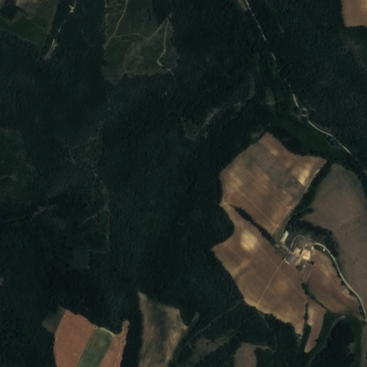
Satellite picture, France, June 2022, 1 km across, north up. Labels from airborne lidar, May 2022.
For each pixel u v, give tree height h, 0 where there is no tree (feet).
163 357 0
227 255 0
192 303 45
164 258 80
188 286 41
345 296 0
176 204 43
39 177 23
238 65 65
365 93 45
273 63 24
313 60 36
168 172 35
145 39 0
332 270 0
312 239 0
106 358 0
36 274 43
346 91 42
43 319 36
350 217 0
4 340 60
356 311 0
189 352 42
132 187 33
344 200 0
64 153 29
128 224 36
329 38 45
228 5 76
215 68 52
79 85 25
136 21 0
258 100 61
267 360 21
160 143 45
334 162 36
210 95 76
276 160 0
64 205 35
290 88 31
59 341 0
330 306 0
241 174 0
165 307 0
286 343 48
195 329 31
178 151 30
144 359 0
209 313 41
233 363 37
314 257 0
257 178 0
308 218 0
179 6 37
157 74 36
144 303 0
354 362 57
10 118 37
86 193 34
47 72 31
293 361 52
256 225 34
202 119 45
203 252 38
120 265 42
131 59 0
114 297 38
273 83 33
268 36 55
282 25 17
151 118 85
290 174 0
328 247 31
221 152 62
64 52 33
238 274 0
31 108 22
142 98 41
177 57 0
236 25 80
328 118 41
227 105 26
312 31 42
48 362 33
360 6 0
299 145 59
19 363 35
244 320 44
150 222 34
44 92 27
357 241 0
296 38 43
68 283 94
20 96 33
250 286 0
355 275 0
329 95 40
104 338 0
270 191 0
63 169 29
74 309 41
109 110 22
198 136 23
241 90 24
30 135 24
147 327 0
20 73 36
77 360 0
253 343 31
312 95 30
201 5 53
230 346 35
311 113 34
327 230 22
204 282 31
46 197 36
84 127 24
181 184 48
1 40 44
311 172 0
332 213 0
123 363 42
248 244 0
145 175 32
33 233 69
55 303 44
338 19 45
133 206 26
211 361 44
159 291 23
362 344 0
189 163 37
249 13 66
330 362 62
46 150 39
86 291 84
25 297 28
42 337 50
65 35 22
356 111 43
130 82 37
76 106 24
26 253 39
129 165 46
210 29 29
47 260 61
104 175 26
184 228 42
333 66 48
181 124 77
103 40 28
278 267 0
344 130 44
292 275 0
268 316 36
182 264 37
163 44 0
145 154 41
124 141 64
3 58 28
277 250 0
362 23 0
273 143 0
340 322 29
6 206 18
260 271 0
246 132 52
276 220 0
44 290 31
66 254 21
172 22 40
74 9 22
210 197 56
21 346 71
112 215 34
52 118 28
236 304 33
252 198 0
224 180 0
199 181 48
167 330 0
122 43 0
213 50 25
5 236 49
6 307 37
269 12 22
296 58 48
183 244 34
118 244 34
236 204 0
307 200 31
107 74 0
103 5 20
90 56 23
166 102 54
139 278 33
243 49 28
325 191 0
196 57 36
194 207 50
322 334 19
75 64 33
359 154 25
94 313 56
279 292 0
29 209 43
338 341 77
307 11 41
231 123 83
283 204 0
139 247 32
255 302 0
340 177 0
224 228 29
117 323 29
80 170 34
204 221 43
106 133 44
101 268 46
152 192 37
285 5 44
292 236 0
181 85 48
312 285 0
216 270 42
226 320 39
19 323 65
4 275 47
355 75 42
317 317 0
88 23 28
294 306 0
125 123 56
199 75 31
